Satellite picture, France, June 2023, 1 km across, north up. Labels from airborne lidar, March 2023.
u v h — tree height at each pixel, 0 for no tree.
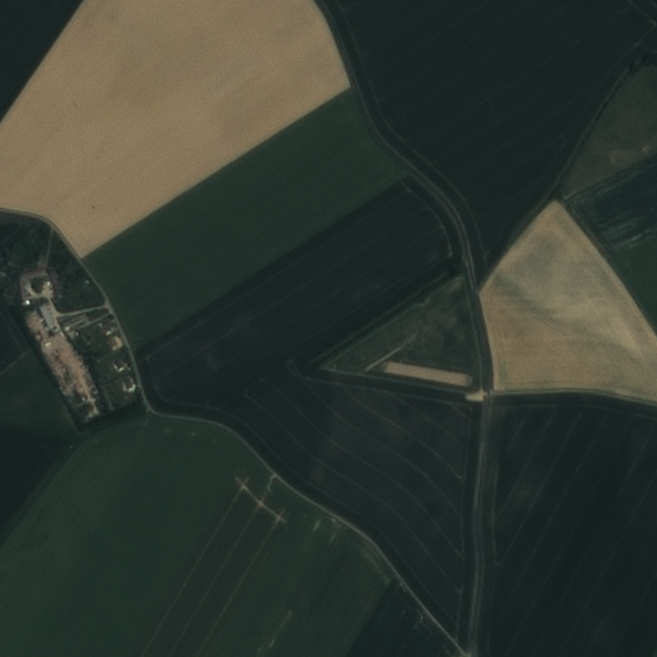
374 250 0
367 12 0
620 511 0
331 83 0
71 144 0
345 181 0
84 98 0
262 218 0
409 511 0
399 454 0
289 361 0
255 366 0
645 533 0
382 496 0
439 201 0
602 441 0
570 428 0
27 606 0
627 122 0
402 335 0
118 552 0
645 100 0
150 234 0
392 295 0
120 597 0
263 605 0
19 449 0
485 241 0
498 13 0
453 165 0
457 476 0
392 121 0
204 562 0
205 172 0
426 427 0
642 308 0
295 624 0
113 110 0
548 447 0
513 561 0
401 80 0
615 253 0
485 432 0
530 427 0
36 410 0
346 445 0
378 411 0
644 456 0
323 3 0
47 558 0
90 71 0
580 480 0
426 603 0
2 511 0
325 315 0
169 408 0
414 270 0
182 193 0
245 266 0
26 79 0
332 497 0
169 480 0
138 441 0
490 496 0
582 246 0
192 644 0
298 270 0
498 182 0
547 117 0
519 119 0
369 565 0
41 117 0
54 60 0
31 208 0
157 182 0
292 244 0
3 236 0
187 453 0
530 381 0
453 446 0
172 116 0
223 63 0
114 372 0
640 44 0
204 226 0
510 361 0
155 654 0
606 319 0
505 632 0
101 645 0
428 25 0
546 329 0
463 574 0
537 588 0
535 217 0
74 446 0
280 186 0
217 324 0
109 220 0
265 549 0
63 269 7
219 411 0
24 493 0
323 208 0
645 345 0
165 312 0
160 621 0
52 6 0
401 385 0
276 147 0
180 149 0
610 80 0
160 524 0
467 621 0
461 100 0
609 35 0
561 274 0
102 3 0
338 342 0
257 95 0
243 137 0
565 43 0
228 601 0
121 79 0
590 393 0
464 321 0
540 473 0
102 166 0
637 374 0
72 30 0
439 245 0
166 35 0
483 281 0
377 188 0
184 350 0
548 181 0
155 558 0
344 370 0
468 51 0
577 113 0
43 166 0
